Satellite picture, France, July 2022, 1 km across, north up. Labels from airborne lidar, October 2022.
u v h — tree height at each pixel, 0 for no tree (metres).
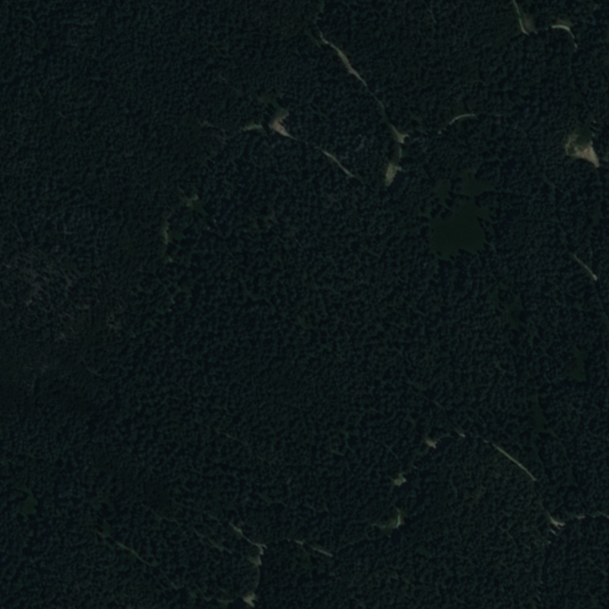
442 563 28
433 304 24
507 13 29
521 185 30
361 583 14
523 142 35
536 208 18
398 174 0
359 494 18
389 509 27
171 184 28
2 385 22
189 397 22
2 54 14
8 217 26
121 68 12
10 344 16
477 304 21
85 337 14
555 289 32
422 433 30
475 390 10
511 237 32
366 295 14
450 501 15
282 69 37
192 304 6
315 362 28
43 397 33
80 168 20
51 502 26
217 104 34
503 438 39
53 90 18
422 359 19
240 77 36
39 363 9
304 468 22
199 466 33
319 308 31
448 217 24
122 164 22
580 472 17
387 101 27
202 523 22
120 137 16
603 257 20
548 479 11
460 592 33
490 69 39
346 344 23
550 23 10
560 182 28
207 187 35
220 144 25
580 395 10
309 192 27
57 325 17
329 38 19
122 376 32
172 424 28
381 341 24
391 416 33
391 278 32
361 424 6
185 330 33
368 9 18
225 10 14
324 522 37
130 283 24
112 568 21
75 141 19
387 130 31
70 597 21
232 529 36
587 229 28
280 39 19
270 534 23
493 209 20
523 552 24
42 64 18
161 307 28
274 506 13
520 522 15
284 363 28
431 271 33
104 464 22
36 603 13
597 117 16
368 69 29
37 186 17
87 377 27
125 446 25
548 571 30
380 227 25
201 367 23
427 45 9
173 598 32
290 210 28
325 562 29
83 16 14
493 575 25
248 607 37
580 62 22
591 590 9
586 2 11
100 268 19
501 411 17
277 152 29
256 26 22
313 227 28
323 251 20
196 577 33
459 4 24
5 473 29
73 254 20
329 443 36
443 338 29
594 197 30
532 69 31
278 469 25
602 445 11
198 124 23
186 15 20
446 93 16
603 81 9
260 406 25
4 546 40
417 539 23
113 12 31
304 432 22
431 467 27
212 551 17
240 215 28
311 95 37
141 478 22
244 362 26
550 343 33
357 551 27
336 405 21
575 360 30
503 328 6
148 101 15
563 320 32
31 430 30
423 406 7
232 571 32
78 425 35
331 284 34
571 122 11
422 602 8
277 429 35
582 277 28
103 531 34
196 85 23
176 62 21
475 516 16
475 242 0
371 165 16
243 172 23
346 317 24
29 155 21
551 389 17
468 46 25
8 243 16
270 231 7
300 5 25
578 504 19
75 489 29
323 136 29
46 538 27
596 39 30
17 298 20
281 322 32
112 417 16
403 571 13
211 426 19
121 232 23
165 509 23
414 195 28
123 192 16
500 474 17
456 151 34
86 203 14
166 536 24
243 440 23
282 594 29
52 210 24
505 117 10
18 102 16
